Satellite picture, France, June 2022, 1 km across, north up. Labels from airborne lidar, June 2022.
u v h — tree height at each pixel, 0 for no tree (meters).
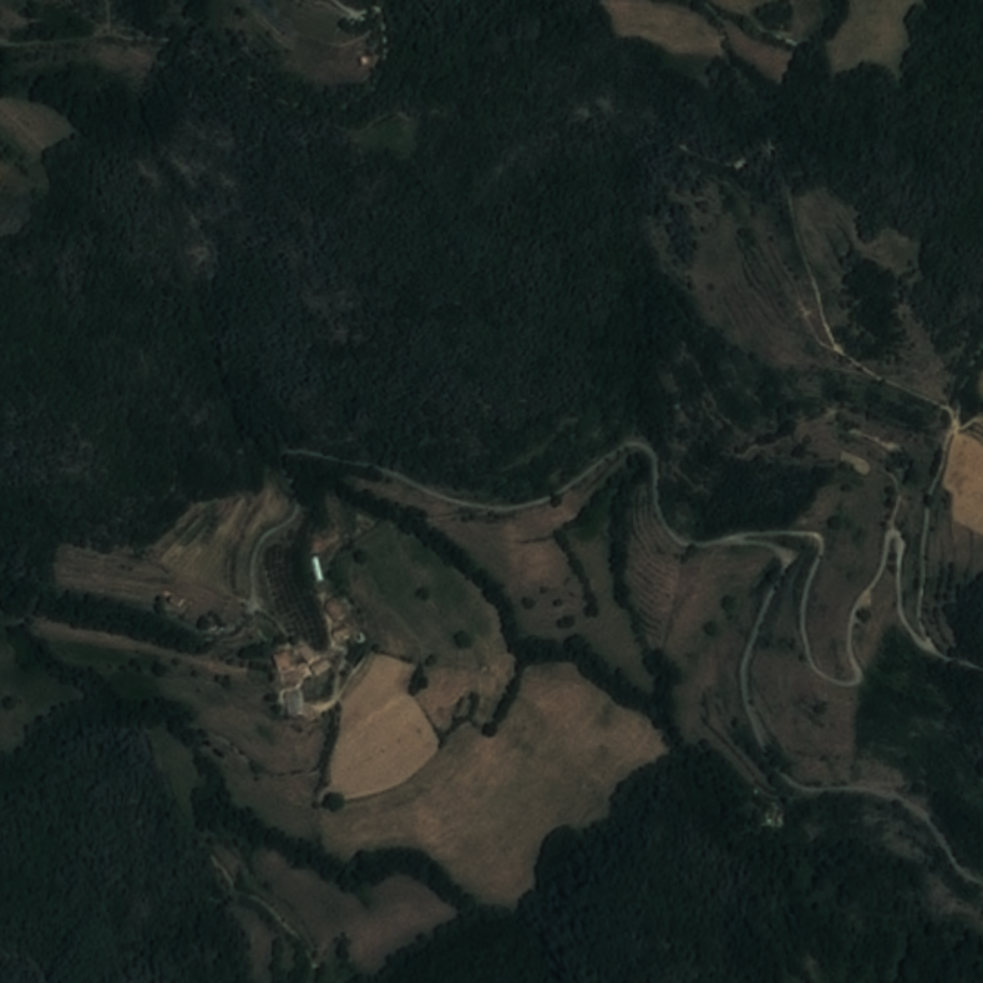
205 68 12
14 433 9
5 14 0
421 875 22
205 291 9
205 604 0
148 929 8
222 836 9
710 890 18
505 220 21
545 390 16
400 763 0
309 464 12
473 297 11
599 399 7
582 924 19
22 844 15
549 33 16
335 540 0
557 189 19
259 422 24
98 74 7
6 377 11
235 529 0
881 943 8
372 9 10
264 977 0
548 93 13
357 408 16
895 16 0
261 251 10
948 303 7
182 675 0
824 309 0
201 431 7
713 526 7
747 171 16
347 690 0
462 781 0
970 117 13
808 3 0
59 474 6
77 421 8
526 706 0
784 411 9
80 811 14
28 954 14
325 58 0
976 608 18
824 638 0
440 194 14
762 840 10
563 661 9
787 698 0
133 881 13
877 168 8
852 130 17
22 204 0
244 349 15
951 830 8
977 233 10
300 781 0
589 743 0
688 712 0
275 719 0
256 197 7
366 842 0
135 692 0
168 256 8
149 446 10
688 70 0
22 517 18
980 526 0
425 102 14
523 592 0
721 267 0
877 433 0
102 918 24
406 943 0
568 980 27
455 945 8
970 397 10
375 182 9
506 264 12
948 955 10
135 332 8
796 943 21
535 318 16
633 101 9
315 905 0
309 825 0
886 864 11
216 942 12
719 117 9
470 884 0
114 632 15
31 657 6
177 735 13
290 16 0
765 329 0
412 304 9
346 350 16
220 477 8
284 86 14
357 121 16
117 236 12
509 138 12
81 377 11
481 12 11
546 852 14
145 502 8
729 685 0
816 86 9
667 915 16
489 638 0
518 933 9
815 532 0
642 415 17
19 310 12
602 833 27
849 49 0
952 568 8
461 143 8
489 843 0
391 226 12
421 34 14
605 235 17
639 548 0
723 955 17
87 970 23
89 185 9
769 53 0
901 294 9
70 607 13
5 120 0
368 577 0
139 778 21
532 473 9
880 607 0
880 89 17
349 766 0
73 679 8
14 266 12
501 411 12
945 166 17
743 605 0
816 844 12
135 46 8
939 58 15
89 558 0
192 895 16
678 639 0
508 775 0
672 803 11
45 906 16
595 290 19
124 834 12
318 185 9
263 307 16
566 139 10
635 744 0
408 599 0
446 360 12
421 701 0
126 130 21
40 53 7
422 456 12
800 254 0
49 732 15
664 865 17
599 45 7
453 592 0
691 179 12
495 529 0
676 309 6
